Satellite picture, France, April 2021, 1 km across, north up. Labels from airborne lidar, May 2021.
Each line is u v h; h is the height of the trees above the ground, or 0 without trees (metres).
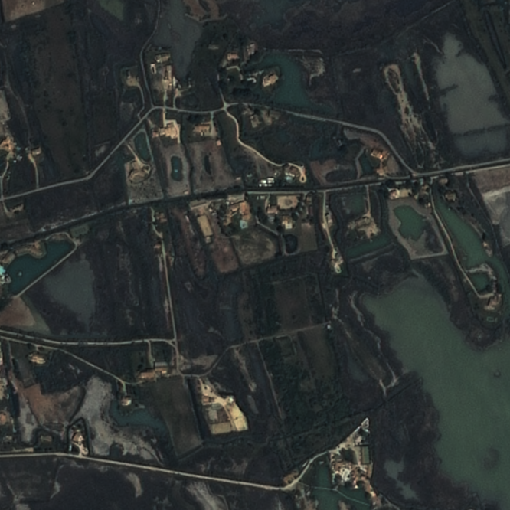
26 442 0
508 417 0
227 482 0
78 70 0
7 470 0
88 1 0
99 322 0
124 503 0
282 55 0
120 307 0
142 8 0
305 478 0
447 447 0
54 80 0
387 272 0
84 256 0
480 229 0
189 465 0
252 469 0
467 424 0
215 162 0
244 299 0
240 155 0
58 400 0
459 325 0
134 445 0
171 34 0
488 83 0
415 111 0
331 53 0
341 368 6
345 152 14
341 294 0
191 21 0
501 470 0
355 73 0
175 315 0
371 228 0
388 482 0
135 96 0
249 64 6
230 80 9
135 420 0
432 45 0
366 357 0
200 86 0
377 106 0
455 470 0
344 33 0
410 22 0
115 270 0
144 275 0
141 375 0
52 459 0
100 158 0
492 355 0
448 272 0
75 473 0
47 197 0
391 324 0
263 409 0
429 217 0
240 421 0
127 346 5
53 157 0
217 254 0
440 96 0
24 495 0
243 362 0
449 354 0
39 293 0
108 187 0
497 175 0
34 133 0
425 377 0
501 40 0
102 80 0
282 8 0
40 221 0
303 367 0
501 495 0
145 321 0
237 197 0
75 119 0
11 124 0
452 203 8
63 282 0
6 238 0
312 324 0
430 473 0
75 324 0
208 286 0
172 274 0
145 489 0
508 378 0
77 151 0
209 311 0
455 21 0
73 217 0
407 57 0
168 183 0
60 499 0
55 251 0
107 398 0
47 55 0
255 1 0
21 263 0
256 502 0
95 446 0
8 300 6
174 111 0
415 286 0
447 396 0
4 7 0
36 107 0
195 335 0
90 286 0
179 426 0
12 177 0
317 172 0
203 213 0
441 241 0
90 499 0
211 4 0
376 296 0
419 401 0
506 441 0
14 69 0
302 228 0
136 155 0
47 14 0
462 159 0
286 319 0
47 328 0
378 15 0
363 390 0
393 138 0
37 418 0
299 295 0
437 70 0
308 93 0
